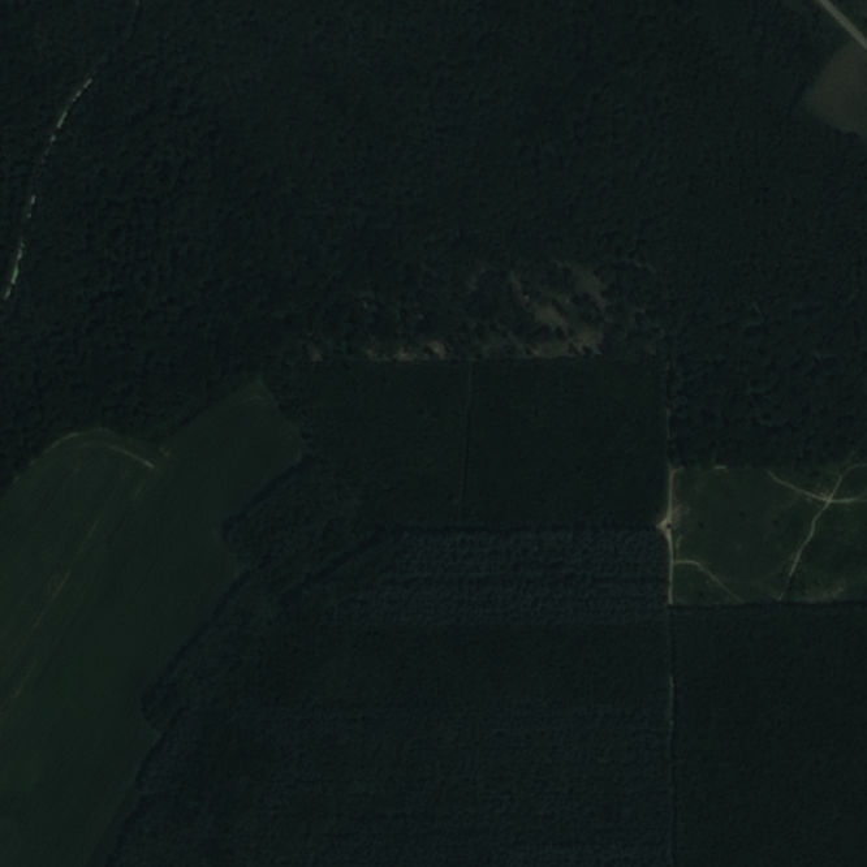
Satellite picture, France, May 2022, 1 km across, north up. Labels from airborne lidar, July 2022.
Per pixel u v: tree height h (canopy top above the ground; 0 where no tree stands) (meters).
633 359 20
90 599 0
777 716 18
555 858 23
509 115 18
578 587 23
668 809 19
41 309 16
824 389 28
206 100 16
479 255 21
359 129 17
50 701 0
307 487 25
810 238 18
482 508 9
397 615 29
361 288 25
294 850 19
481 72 22
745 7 13
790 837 13
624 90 20
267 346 21
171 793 24
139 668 0
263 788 21
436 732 17
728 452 21
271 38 18
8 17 20
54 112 10
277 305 20
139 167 18
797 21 9
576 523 6
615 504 8
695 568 0
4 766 0
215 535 0
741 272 16
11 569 0
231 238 23
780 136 16
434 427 6
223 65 15
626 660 19
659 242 18
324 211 16
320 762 16
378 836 21
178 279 18
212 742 25
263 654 20
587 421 9
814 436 22
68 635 0
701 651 14
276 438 0
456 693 17
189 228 19
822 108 0
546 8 21
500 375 8
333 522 27
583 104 21
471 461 7
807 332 28
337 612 18
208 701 15
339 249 19
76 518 0
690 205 16
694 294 14
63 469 0
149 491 0
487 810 16
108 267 17
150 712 22
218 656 21
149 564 0
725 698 19
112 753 0
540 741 22
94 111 15
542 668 16
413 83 18
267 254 21
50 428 17
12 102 15
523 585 20
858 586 0
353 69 17
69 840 0
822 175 14
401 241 18
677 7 20
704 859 15
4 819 0
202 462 0
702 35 9
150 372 19
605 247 21
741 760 18
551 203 24
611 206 18
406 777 16
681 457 21
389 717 21
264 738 23
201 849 25
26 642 0
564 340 20
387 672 15
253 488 0
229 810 30
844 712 19
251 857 14
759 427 26
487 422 9
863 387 30
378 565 22
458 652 19
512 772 14
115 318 9
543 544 24
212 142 21
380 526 8
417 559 26
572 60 18
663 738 22
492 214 16
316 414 7
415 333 24
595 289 0
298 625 20
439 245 19
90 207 23
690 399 25
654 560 23
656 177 19
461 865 22
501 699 17
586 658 18
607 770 15
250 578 20
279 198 19
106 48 10
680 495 0
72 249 15
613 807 15
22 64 18
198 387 21
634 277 19
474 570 28
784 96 11
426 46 19
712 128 11
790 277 21
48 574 0
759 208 20
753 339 24
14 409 19
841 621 19
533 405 11
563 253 18
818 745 20
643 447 10
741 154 13
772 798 15
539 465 6
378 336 24
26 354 17
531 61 16
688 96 12
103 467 0
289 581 27
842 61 0
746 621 17
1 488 20
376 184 20
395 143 16
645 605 26
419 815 19
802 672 20
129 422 16
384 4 18
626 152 18
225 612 20
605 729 18
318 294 23
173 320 18
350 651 15
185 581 0
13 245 11
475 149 18
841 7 12
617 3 20
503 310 20
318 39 12
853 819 15
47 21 16
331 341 22
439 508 7
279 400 12
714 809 15
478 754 17
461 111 18
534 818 14
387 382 16
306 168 16
